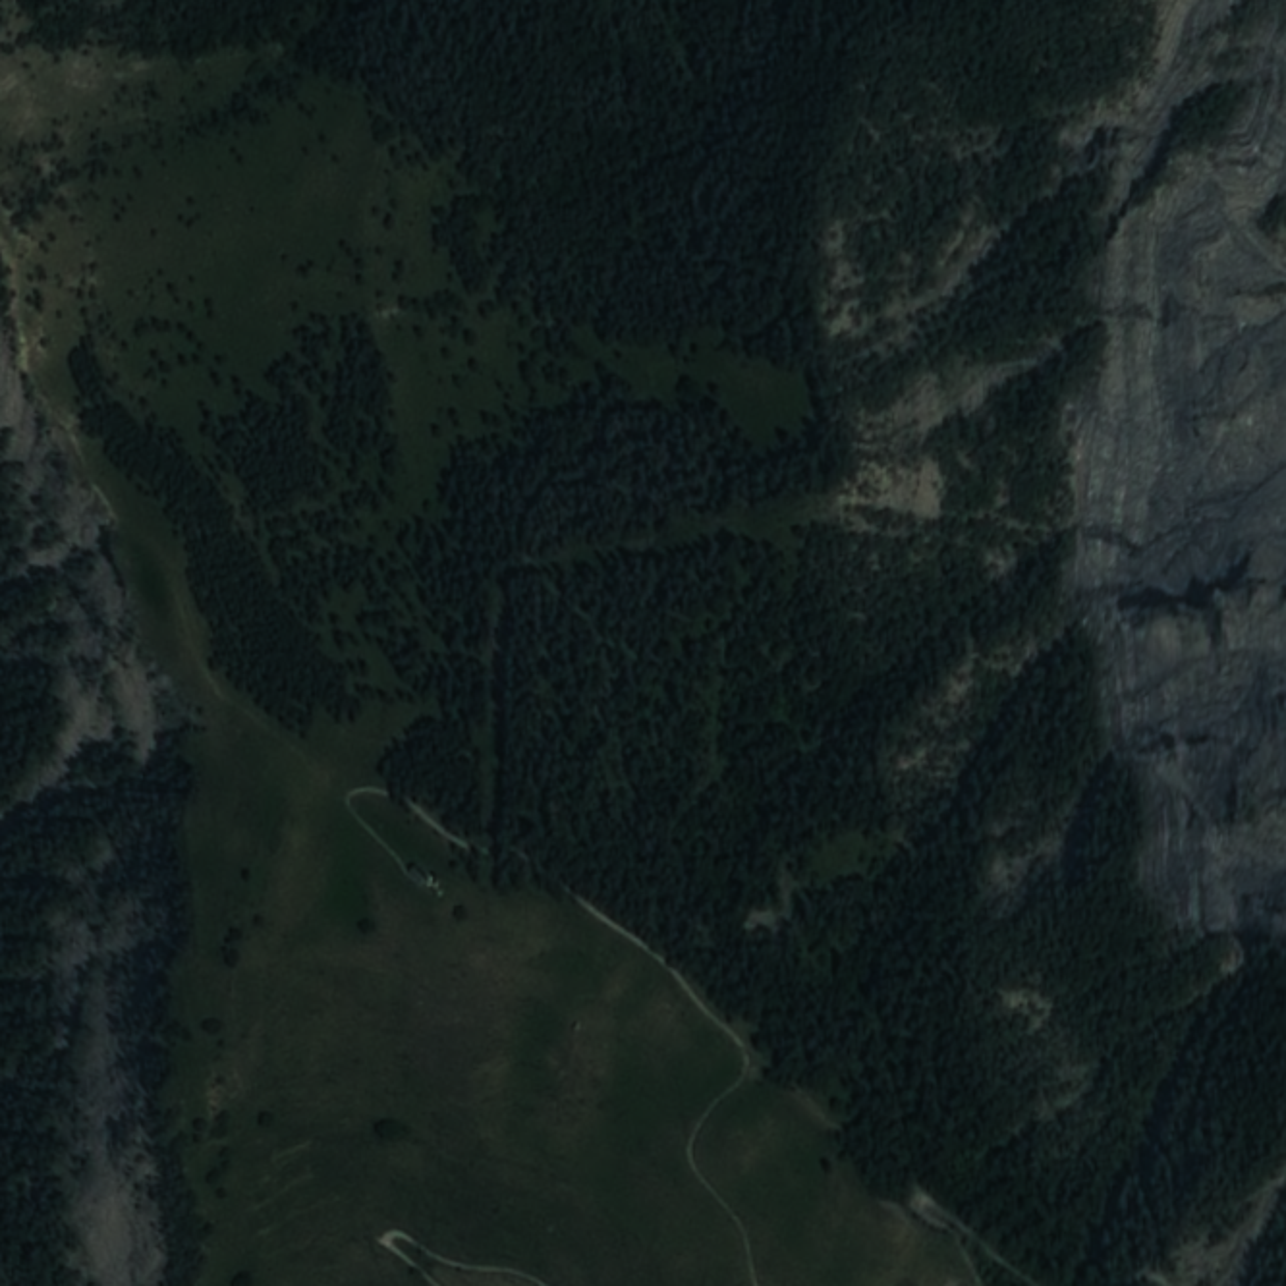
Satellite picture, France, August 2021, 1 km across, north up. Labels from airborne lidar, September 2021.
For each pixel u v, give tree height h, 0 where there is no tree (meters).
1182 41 0
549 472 21
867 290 6
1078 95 19
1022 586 13
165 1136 7
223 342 0
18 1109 13
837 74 19
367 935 7
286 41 14
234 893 0
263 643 16
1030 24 19
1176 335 0
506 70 22
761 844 13
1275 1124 12
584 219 21
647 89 24
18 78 0
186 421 0
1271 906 0
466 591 20
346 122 0
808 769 22
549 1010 0
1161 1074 19
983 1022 17
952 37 15
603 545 25
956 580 26
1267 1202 0
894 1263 0
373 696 14
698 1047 0
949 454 6
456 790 18
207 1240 11
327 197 0
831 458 18
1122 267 0
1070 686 23
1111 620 0
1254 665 0
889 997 21
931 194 9
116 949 0
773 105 29
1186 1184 10
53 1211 12
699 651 23
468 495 23
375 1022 0
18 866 27
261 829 0
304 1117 0
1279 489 0
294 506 15
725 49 26
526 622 21
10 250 0
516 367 0
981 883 8
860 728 23
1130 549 0
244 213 0
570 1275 0
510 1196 0
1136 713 0
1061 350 0
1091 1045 9
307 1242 0
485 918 0
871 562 13
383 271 0
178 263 0
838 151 16
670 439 22
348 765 0
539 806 9
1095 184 12
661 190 26
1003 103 18
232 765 0
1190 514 0
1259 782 0
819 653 12
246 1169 0
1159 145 0
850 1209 0
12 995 21
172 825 8
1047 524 8
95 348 6
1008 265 16
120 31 12
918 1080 29
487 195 8
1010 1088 14
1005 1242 9
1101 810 24
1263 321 0
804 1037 16
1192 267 0
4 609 14
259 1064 0
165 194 0
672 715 14
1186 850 0
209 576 13
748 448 10
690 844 13
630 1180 0
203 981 0
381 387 18
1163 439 0
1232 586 0
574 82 21
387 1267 0
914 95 19
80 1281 6
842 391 11
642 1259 0
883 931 11
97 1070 0
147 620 0
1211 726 0
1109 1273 27
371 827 0
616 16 8
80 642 0
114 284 0
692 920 21
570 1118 0
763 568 26
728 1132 0
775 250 25
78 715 0
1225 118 18
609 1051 0
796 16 29
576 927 0
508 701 23
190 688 0
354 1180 0
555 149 19
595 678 19
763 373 0
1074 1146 8
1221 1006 16
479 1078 0
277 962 0
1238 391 0
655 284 27
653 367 0
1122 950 23
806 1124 0
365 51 18
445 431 11
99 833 10
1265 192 0
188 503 13
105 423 15
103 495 0
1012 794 17
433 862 0
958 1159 12
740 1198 0
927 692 10
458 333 7
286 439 14
